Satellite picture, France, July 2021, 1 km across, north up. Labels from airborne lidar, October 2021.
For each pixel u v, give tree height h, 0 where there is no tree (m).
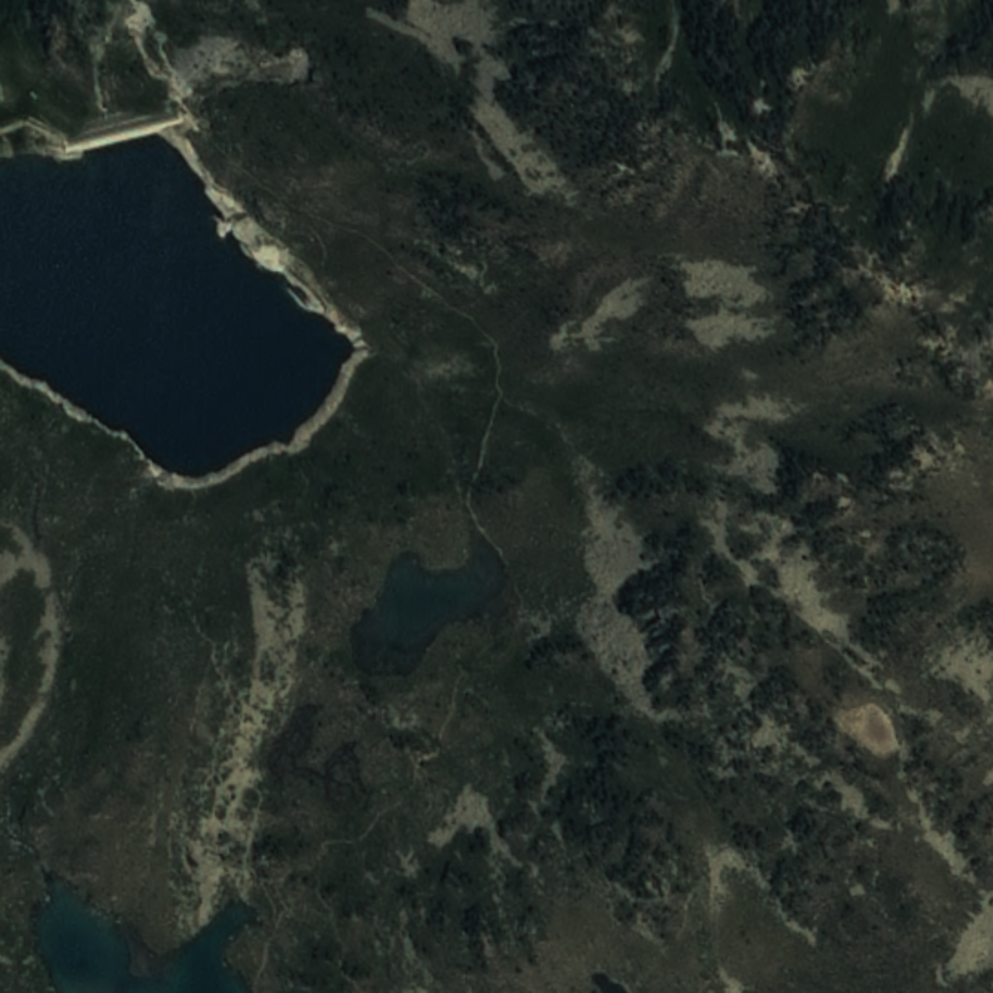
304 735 0
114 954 0
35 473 0
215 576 0
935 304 0
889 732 0
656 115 7
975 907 0
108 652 0
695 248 0
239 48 0
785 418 0
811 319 6
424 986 0
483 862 0
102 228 0
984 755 0
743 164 0
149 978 0
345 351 0
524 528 0
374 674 0
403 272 0
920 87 0
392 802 0
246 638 0
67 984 0
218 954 0
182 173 0
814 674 0
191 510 0
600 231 0
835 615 0
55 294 0
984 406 0
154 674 0
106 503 0
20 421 0
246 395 0
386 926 0
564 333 0
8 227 0
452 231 6
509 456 0
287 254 0
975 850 0
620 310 0
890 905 0
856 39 8
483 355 0
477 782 0
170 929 0
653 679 9
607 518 0
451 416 0
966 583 0
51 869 0
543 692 0
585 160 8
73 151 0
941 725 0
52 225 0
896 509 0
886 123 0
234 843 0
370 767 0
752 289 0
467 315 0
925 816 0
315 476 0
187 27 0
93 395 0
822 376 0
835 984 0
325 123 0
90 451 0
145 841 0
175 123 0
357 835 0
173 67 0
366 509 0
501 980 0
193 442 0
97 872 0
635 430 0
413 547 0
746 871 0
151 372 0
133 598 0
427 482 0
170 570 0
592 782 6
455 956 0
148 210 0
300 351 0
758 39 11
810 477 7
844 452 0
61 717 0
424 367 0
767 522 0
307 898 0
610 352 0
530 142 0
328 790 0
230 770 0
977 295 0
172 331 0
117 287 0
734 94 7
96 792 0
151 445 0
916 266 0
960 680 0
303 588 0
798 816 7
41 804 0
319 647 0
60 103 0
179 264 0
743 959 0
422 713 0
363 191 0
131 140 0
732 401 0
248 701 0
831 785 7
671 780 0
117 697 0
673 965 0
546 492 0
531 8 10
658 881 7
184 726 0
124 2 0
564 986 0
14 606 0
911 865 0
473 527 0
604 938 0
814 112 0
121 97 0
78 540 0
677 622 10
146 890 0
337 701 0
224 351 0
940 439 0
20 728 0
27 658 0
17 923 0
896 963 0
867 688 0
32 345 0
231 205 0
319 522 0
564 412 0
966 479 0
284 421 0
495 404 0
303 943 0
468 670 0
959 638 0
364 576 0
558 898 0
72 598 0
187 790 0
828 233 7
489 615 0
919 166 0
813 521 7
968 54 14
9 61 0
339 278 0
